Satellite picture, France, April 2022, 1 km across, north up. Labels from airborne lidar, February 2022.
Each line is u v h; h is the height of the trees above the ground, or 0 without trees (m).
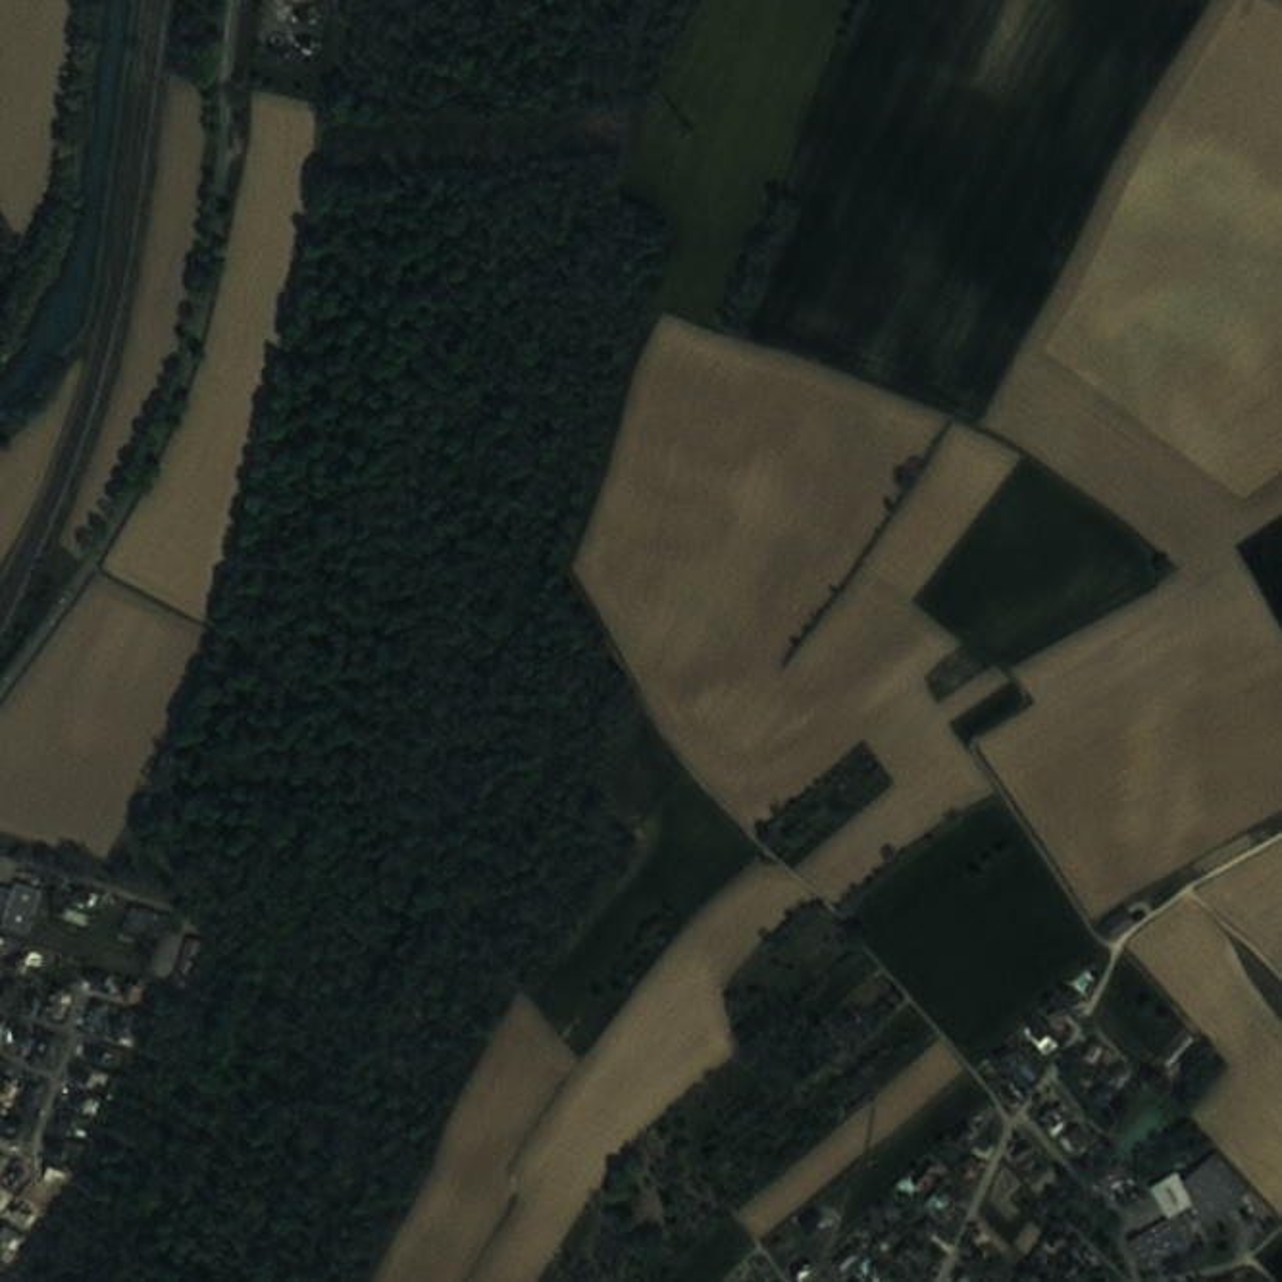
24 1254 9
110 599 0
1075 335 0
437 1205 0
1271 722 0
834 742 0
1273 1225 8
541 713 28
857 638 0
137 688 0
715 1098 0
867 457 0
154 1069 23
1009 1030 0
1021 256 0
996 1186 0
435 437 18
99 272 0
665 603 0
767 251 18
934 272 0
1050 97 0
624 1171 18
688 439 0
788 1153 6
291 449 27
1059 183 0
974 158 0
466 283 27
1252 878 0
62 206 17
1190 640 0
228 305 0
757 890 0
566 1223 0
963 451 0
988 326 0
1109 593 0
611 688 19
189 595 0
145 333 0
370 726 29
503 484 28
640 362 0
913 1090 0
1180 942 0
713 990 0
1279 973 0
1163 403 0
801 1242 0
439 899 25
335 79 0
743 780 0
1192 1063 16
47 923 0
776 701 0
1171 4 0
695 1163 0
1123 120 0
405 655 29
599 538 0
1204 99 0
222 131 11
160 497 0
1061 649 0
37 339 0
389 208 19
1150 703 0
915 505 0
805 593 0
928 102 0
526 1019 0
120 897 0
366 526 24
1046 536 0
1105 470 0
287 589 26
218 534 0
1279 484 0
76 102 20
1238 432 0
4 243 20
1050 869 0
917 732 0
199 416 0
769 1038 24
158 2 0
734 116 0
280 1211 22
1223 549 0
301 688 10
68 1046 0
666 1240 24
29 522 0
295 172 0
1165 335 0
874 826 0
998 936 0
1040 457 0
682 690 0
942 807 0
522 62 23
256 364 0
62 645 0
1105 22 0
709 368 0
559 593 28
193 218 0
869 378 0
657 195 0
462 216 27
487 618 28
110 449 0
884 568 0
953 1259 0
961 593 0
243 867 23
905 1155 0
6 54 0
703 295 0
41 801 0
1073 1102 0
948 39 0
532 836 30
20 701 0
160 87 0
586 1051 0
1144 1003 9
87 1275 11
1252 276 0
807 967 0
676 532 0
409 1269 0
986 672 0
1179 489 0
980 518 0
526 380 25
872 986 0
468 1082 0
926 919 0
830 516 0
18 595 0
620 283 28
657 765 0
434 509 24
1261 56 0
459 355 26
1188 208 0
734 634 0
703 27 0
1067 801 0
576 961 0
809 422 0
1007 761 0
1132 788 0
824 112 0
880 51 0
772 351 0
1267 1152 0
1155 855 0
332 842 28
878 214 0
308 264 21
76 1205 20
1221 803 0
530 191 27
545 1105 0
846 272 0
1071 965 0
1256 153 0
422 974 30
